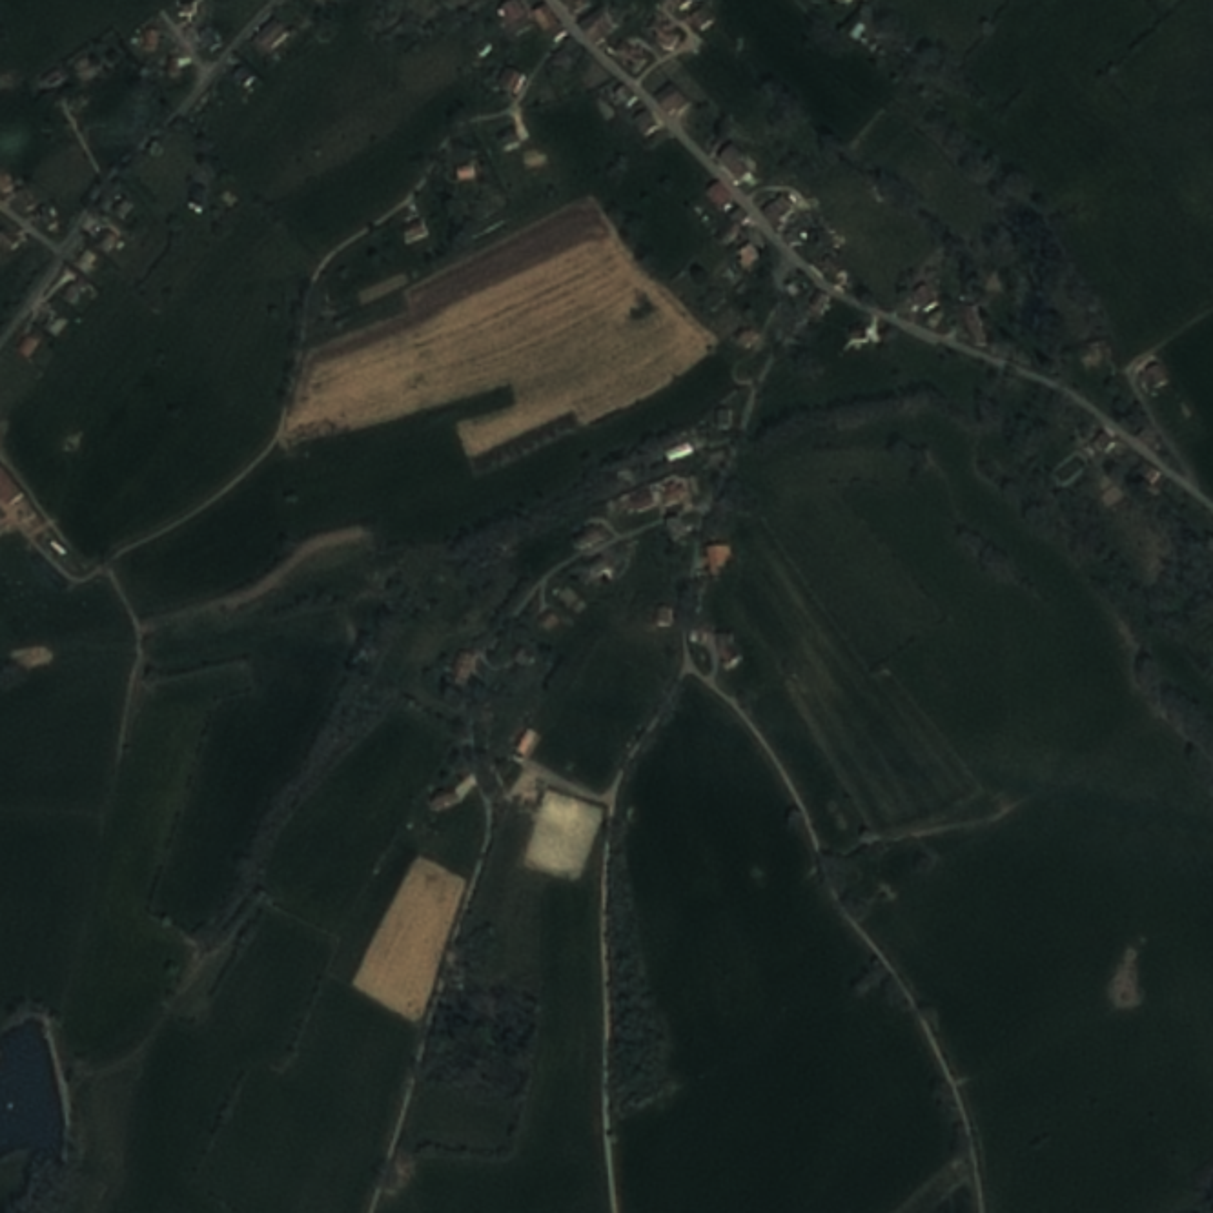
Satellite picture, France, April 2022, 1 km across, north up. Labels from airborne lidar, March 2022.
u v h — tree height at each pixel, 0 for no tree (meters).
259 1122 0
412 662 0
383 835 0
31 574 0
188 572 0
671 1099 0
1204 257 0
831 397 0
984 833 0
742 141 0
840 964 0
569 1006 0
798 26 0
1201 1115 0
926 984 0
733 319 0
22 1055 0
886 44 6
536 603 0
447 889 0
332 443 0
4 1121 0
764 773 0
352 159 0
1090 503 9
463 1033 24
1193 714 22
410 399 0
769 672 0
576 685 0
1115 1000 0
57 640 0
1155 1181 0
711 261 0
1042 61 0
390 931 0
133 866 0
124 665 0
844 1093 0
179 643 0
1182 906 0
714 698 0
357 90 0
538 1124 0
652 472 10
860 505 0
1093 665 0
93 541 0
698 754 0
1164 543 0
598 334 0
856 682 0
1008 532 0
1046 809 0
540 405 0
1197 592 21
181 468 0
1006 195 21
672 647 0
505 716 0
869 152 0
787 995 0
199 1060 0
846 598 0
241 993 0
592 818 0
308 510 0
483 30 14
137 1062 0
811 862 0
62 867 0
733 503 21
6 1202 0
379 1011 0
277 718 0
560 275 0
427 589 0
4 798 0
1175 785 0
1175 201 0
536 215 0
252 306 0
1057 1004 0
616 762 0
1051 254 24
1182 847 0
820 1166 0
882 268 0
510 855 0
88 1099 0
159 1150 0
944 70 25
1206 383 0
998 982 0
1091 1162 0
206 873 0
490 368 0
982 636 0
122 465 0
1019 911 0
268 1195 0
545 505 14
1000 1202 0
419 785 0
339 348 0
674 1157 0
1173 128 0
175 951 0
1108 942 0
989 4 0
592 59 12
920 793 0
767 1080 0
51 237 0
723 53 0
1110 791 0
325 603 13
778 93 22
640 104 0
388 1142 0
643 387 0
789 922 0
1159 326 0
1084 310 18
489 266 0
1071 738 0
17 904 0
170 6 0
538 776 0
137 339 0
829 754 0
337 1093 0
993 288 0
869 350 0
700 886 0
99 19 0
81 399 0
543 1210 0
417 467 0
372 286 0
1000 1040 0
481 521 0
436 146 0
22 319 0
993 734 0
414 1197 0
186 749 0
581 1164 0
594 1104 0
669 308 0
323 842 0
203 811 0
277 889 0
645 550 0
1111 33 0
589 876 0
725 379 0
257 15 0
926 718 0
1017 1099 0
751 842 0
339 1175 0
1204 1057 0
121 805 0
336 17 8
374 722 21
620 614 0
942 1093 15
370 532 13
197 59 0
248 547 0
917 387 0
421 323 0
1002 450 0
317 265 0
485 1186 0
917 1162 0
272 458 0
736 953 0
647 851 0
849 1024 0
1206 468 0
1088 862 0
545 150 0
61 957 0
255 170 0
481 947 11
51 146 0
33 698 0
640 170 0
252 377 0
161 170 0
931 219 12
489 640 7
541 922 0
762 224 0
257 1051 0
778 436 21
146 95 18
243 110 0
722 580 0
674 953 0
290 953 0
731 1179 0
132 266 0
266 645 0
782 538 0
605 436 0
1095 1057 0
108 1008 0
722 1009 0
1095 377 0
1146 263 0
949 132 20
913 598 0
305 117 0
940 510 0
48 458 0
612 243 0
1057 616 0
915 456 10
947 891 0
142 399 0
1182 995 0
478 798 0
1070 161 0
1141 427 9
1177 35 0
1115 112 0
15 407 0
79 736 0
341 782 0
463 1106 0
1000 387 21
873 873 0
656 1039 10
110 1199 0
